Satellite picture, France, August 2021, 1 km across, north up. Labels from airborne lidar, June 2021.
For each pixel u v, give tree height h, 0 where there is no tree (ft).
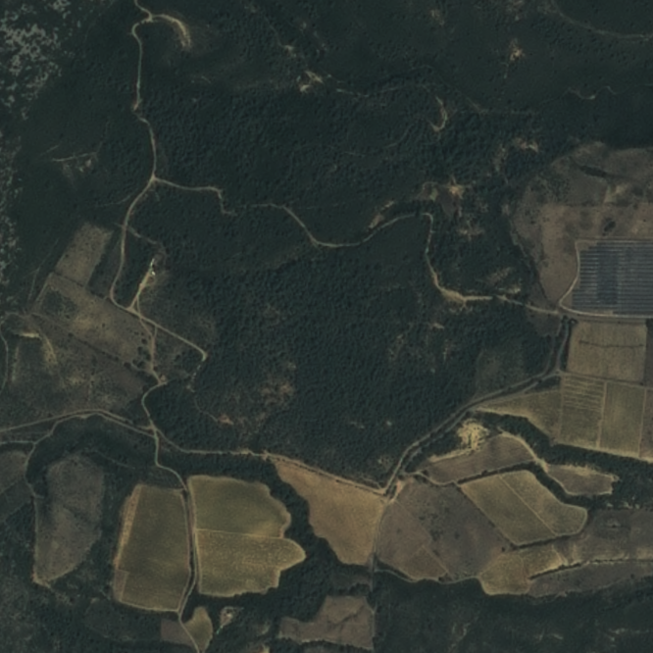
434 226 24
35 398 0
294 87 24
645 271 0
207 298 28
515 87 0
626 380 0
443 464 0
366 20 0
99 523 0
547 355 28
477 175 32
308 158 31
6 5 0
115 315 0
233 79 24
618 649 0
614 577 0
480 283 25
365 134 23
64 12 0
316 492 0
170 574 0
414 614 0
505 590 0
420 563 0
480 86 0
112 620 0
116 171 33
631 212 0
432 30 24
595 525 0
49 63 0
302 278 30
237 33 29
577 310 0
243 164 36
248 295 45
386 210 21
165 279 0
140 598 0
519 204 0
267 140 33
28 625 0
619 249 0
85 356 0
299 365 25
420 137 34
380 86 33
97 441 17
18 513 20
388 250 0
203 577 0
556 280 0
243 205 22
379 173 20
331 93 37
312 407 29
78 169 0
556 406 0
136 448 27
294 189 19
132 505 0
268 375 20
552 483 23
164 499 0
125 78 22
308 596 29
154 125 35
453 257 18
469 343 21
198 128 29
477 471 0
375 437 26
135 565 0
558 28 19
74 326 0
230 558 0
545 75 0
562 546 0
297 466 0
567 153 28
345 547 0
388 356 35
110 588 27
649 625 0
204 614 0
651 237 0
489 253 26
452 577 0
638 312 0
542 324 0
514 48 0
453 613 0
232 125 27
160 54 0
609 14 0
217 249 24
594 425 0
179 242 32
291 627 0
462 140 39
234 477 32
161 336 0
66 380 0
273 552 0
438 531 0
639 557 0
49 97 0
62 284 0
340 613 0
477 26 0
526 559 0
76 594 0
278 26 30
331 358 42
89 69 22
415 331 30
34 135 0
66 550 0
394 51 24
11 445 18
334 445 30
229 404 22
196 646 0
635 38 0
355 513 0
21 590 0
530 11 0
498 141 34
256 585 0
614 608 23
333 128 29
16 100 0
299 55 20
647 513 0
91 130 0
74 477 0
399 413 22
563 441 0
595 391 0
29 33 0
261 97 34
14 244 0
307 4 31
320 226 19
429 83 24
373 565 0
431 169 41
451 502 0
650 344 0
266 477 45
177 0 0
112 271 0
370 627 0
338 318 32
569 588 0
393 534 0
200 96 31
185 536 0
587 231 0
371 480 0
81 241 0
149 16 0
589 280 0
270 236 28
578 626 0
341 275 28
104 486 0
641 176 0
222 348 40
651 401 0
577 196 0
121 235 0
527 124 30
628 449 0
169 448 18
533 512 0
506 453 0
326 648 22
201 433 36
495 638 0
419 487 0
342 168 33
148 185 0
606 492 0
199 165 27
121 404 0
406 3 26
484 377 0
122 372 0
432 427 23
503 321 19
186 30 0
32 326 0
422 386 25
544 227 0
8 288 0
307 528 31
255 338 39
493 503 0
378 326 24
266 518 0
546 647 0
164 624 0
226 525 0
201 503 0
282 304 22
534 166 31
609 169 0
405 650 0
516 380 0
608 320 0
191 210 19
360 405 28
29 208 0
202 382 20
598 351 0
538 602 0
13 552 0
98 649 24
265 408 22
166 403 21
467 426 0
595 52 21
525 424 33
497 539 0
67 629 31
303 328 31
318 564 37
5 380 0
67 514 0
